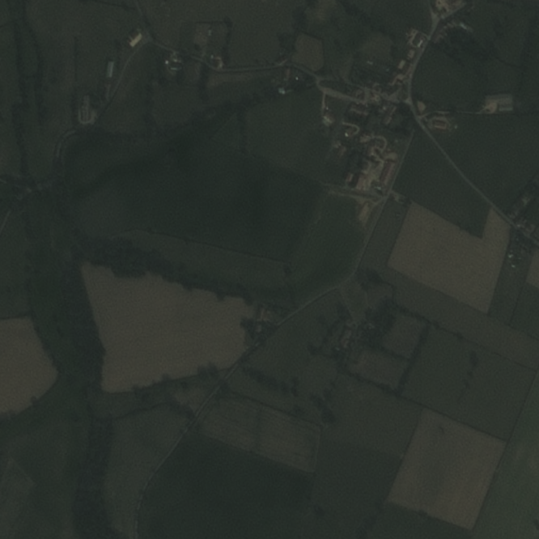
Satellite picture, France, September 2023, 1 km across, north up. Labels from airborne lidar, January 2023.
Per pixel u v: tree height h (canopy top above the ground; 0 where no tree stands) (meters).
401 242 0
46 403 0
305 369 0
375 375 0
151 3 0
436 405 0
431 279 0
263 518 0
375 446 0
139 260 21
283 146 0
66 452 0
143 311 0
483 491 0
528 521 0
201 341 0
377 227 0
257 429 0
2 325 0
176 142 0
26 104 10
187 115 0
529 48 16
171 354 0
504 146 0
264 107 0
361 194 0
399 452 0
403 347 0
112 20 0
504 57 0
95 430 8
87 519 21
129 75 0
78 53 9
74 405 0
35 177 0
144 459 0
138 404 0
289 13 0
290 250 0
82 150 0
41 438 0
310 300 0
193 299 0
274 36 0
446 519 0
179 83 13
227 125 0
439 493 0
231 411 0
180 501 0
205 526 0
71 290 16
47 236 0
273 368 0
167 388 13
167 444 0
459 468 0
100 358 10
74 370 0
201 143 0
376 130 7
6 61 0
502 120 0
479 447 0
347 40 0
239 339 0
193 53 0
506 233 0
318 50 0
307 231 0
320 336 0
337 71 0
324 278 0
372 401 0
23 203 15
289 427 0
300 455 0
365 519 0
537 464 0
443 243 0
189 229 0
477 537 0
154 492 0
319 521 0
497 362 0
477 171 0
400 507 0
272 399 0
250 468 0
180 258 0
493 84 0
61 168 13
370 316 8
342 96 0
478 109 0
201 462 0
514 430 0
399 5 0
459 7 0
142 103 0
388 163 0
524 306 0
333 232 0
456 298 0
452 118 0
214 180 0
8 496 0
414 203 0
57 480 0
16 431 0
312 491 0
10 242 0
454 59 12
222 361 0
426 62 0
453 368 0
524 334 0
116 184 0
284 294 0
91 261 13
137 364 0
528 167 0
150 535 0
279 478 0
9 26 0
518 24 0
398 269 0
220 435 0
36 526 0
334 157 0
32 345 0
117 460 0
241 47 0
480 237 0
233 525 0
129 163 0
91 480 22
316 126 0
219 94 0
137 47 0
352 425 0
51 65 0
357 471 0
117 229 0
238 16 0
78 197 0
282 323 0
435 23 0
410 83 0
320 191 0
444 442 0
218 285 0
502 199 0
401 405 0
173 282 0
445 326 0
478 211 0
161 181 0
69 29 0
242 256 0
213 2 0
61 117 0
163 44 0
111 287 0
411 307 0
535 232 0
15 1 0
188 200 0
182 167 0
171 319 0
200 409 0
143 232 0
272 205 0
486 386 0
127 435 0
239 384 0
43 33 0
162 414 0
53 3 0
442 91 0
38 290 0
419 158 0
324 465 0
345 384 0
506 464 0
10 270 0
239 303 0
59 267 0
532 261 0
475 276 0
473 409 0
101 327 0
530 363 0
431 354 0
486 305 0
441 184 0
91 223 0
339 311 14
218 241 0
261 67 0
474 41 10
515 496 0
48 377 0
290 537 0
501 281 0
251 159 0
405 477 0
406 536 0
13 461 0
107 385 0
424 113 0
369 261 0
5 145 0
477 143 0
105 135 14
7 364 0
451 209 0
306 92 0
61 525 0
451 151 0
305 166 0
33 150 0
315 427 0
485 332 0
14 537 0
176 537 0
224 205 0
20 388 0
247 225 0
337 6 0
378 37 0
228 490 0
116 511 0
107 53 0
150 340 0
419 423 0
